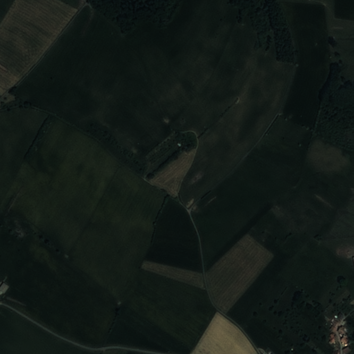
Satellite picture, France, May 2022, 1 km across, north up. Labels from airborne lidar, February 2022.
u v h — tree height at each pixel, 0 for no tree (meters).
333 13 0
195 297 0
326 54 0
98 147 0
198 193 0
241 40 0
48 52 0
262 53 0
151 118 0
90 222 0
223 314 0
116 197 0
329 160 0
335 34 0
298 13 0
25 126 0
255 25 8
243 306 0
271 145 0
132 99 0
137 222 0
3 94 0
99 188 0
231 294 0
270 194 0
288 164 0
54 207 0
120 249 0
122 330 0
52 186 0
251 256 0
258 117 0
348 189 0
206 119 0
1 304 0
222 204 0
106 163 0
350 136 0
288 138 0
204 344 0
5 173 0
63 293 0
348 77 0
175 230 0
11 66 0
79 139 0
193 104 0
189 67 0
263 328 0
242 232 0
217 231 0
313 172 0
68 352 0
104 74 0
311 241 0
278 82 0
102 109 0
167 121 0
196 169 0
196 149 0
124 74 0
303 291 9
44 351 0
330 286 0
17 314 0
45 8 0
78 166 0
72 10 0
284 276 0
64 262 0
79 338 0
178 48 0
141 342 0
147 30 0
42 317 0
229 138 0
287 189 0
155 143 0
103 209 0
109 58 0
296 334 11
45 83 0
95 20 0
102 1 24
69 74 0
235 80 0
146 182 0
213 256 0
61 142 0
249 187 0
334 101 24
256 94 0
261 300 0
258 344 0
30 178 0
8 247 0
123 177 0
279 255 0
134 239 0
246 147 0
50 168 0
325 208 0
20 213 0
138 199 0
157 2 27
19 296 0
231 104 0
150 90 0
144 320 0
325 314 0
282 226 0
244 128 0
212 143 0
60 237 0
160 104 0
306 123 0
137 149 0
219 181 0
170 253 0
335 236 0
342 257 0
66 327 0
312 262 0
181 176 0
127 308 0
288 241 0
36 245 0
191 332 0
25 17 0
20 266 0
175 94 0
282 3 0
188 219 0
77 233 0
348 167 0
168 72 0
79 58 0
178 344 0
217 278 0
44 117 0
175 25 0
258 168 0
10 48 0
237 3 22
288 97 0
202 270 0
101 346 0
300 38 0
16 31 0
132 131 0
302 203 0
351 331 0
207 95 0
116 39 0
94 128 7
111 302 0
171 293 0
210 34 0
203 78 0
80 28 0
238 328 0
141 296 0
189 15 0
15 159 0
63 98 0
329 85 20
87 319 0
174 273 0
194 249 0
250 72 0
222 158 0
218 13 0
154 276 0
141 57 0
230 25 0
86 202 0
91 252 0
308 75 0
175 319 0
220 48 0
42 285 0
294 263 0
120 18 21
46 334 0
